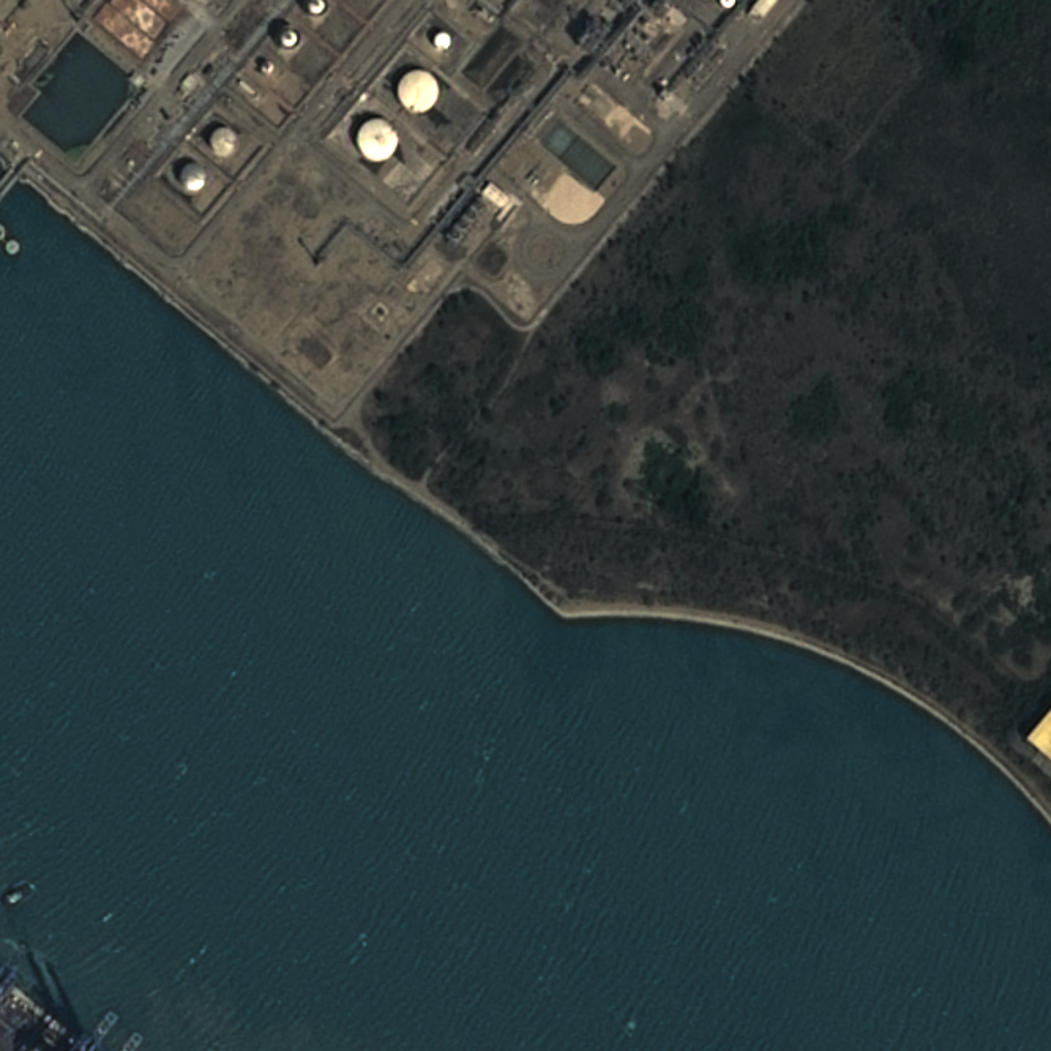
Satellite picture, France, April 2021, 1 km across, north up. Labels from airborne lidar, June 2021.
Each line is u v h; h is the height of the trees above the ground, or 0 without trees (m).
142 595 0
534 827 0
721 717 0
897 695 0
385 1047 0
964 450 6
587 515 6
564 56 0
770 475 0
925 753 0
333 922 0
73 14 0
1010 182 0
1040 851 0
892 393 9
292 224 0
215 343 0
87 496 0
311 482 0
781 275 6
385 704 0
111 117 0
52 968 0
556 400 7
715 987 0
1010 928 0
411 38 0
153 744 0
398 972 0
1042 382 10
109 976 0
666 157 0
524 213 0
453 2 0
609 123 0
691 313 10
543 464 0
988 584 0
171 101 0
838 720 0
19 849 0
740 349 6
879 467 7
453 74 0
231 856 0
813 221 7
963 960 0
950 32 7
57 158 0
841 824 0
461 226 0
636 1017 0
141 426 0
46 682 0
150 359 0
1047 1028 0
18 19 0
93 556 0
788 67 0
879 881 0
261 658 0
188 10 0
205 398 0
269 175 0
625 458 0
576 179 0
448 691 0
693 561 5
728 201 7
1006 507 7
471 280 0
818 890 0
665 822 0
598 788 0
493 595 0
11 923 0
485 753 0
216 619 0
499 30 0
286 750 0
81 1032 0
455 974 0
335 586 0
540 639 0
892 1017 0
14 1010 0
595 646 0
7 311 0
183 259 0
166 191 0
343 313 0
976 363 6
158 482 0
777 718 0
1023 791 0
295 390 0
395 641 0
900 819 0
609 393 0
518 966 0
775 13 0
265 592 0
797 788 0
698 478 6
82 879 0
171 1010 0
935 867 0
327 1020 0
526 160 0
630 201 0
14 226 0
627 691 0
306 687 0
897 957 0
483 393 7
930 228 6
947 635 6
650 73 0
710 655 0
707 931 0
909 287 7
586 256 0
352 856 0
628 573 0
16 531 0
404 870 0
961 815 0
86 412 0
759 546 5
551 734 0
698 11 0
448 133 0
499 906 0
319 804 0
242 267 0
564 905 0
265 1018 0
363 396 0
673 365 8
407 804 0
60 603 0
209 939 0
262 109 0
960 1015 0
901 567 0
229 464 0
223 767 0
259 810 0
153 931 0
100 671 0
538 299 0
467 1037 0
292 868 0
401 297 0
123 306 0
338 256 0
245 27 0
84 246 0
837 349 0
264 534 0
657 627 0
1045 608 11
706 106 0
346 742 0
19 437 0
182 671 0
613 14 0
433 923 0
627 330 10
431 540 0
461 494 6
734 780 0
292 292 0
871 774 0
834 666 0
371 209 0
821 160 7
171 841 0
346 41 0
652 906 0
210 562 0
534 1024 0
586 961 0
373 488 0
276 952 0
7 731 0
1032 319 0
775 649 0
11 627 0
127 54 0
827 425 5
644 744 0
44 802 0
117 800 0
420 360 0
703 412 6
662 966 0
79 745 0
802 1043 0
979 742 0
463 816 0
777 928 0
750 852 0
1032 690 0
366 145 0
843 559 8
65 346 0
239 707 0
